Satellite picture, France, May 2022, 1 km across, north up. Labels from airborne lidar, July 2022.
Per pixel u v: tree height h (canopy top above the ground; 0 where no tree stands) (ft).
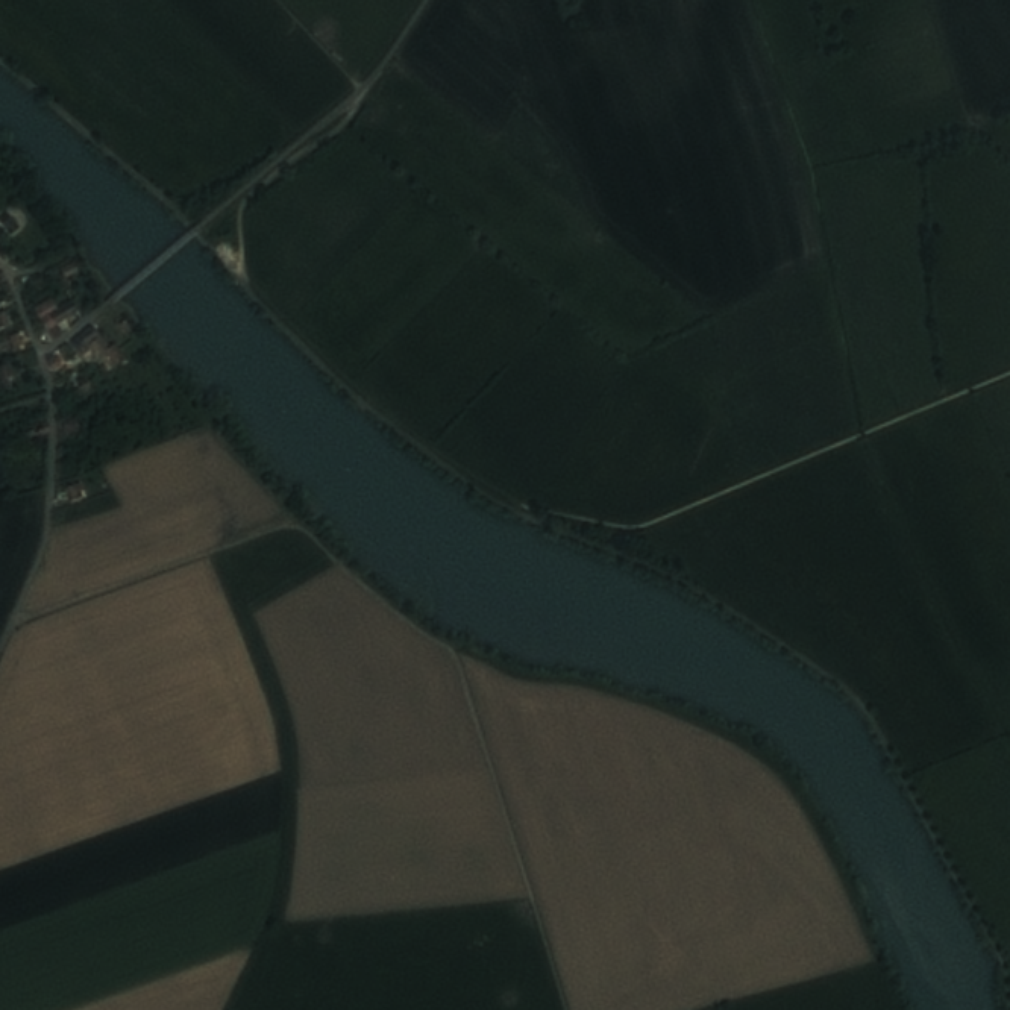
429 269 0
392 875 0
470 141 0
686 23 0
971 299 0
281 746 0
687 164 0
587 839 0
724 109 0
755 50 0
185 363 0
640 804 0
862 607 0
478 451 0
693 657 0
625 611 0
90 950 0
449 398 0
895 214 0
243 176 41
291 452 0
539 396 0
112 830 0
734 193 0
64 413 23
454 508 0
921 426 0
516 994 0
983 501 0
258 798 0
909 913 0
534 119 0
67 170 0
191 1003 0
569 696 0
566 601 0
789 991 0
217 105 0
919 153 24
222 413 38
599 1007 0
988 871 0
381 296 0
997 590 0
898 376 0
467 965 0
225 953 0
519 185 0
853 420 0
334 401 0
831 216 0
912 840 0
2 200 0
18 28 0
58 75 0
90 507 0
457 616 0
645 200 0
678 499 0
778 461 0
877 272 0
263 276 0
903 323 0
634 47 0
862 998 0
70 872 0
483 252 25
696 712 32
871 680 0
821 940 0
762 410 0
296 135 0
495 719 0
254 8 0
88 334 0
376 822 0
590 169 0
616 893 0
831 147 0
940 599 0
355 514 0
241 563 0
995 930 31
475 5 0
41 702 0
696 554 0
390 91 0
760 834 0
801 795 0
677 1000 0
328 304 0
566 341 0
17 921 0
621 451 0
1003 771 0
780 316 0
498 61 0
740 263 0
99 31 0
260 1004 0
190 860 0
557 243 0
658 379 0
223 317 0
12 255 33
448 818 0
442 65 0
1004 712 0
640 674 0
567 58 0
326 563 0
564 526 38
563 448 0
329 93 0
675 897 0
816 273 0
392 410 0
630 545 84
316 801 0
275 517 0
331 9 0
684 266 0
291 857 0
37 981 0
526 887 0
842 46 48
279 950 0
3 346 0
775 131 0
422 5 0
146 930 0
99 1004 0
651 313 0
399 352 0
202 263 0
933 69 0
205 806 0
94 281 40
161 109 0
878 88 0
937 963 0
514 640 0
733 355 0
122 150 0
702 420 0
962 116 0
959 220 0
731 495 0
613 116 0
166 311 0
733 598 0
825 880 0
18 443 27
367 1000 0
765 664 0
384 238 0
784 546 0
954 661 0
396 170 43
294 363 0
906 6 0
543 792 0
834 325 0
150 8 0
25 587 0
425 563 0
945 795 0
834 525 0
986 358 0
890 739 0
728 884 0
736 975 0
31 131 0
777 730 0
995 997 35
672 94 0
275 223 0
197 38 0
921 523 0
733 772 0
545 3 0
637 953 0
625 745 0
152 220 0
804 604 0
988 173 0
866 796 0
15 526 0
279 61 0
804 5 0
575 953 0
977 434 0
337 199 0
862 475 0
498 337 0
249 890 0
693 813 0
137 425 24
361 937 0
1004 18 0
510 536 0
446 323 0
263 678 0
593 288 0
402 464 0
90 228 0
